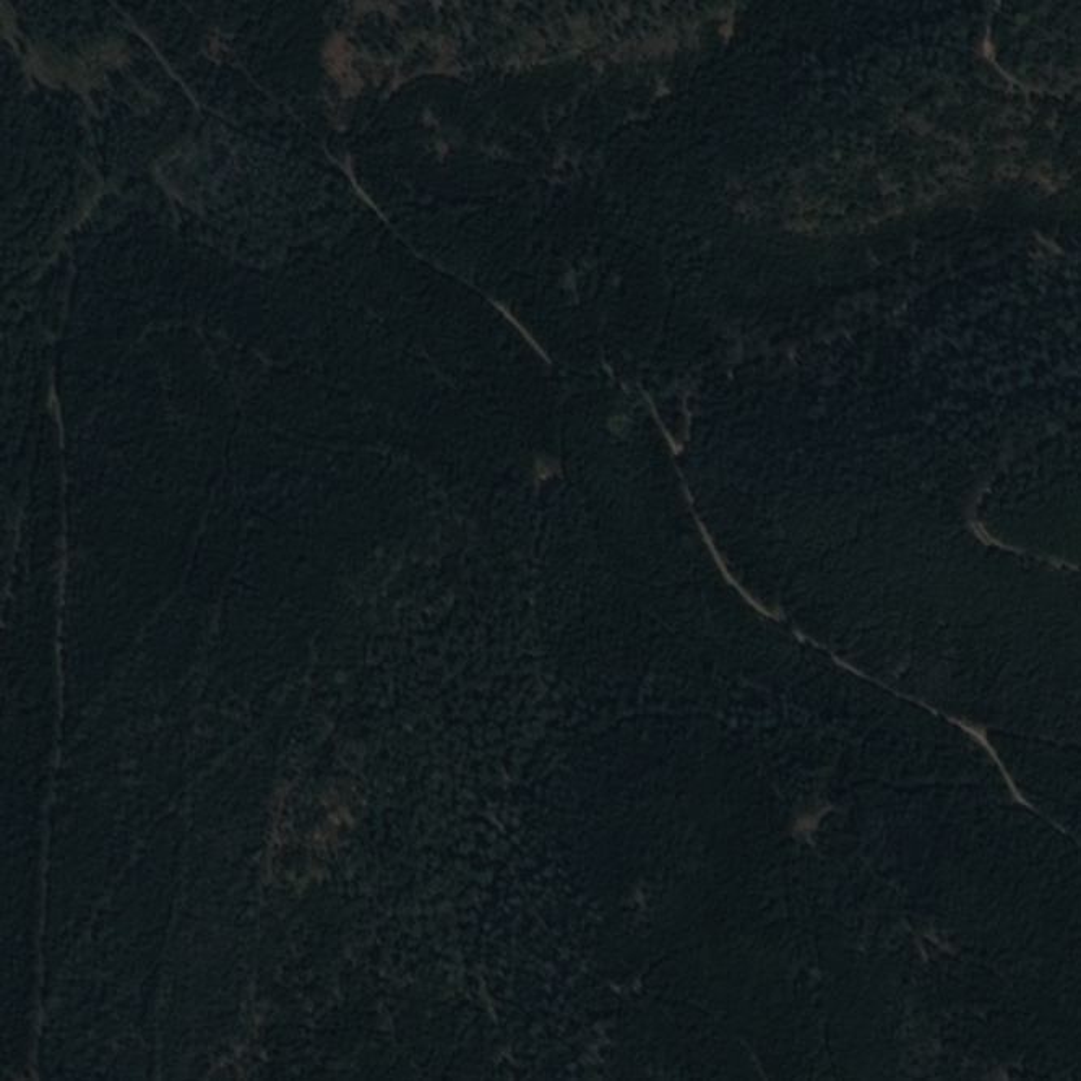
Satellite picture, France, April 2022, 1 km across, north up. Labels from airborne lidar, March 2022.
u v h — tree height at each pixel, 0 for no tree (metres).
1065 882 14
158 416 17
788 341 20
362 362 10
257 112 21
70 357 21
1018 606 17
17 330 23
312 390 20
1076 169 7
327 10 10
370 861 34
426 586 11
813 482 17
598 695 14
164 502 12
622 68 8
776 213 8
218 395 18
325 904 8
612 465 13
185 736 9
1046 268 36
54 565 10
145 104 25
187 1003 7
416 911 34
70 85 0
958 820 19
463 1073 18
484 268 26
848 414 13
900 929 9
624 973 11
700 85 14
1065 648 17
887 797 16
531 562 11
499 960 21
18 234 24
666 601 17
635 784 13
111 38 32
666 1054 10
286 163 34
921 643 11
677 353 17
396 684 8
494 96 13
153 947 6
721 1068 17
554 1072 13
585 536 24
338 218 30
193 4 6
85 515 12
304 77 9
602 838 12
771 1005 15
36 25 37
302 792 11
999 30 11
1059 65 8
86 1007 7
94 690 8
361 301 20
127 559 13
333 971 13
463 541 12
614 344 18
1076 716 18
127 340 18
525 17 22
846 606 18
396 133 10
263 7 10
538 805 29
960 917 12
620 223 22
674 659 19
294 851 11
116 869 6
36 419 24
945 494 12
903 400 13
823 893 10
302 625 6
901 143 9
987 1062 11
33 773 11
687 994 16
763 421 14
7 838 8
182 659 8
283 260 19
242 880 6
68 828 8
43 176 22
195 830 7
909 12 10
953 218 13
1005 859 17
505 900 19
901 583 14
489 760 24
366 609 10
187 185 18
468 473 14
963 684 18
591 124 12
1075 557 17
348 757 31
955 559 14
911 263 14
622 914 15
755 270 14
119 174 34
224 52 7
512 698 34
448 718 15
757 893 21
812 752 19
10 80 24
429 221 38
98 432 11
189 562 10
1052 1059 17
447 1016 15
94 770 6
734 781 16
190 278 16
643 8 23
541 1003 13
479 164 9
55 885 9
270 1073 14
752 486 16
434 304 18
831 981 6
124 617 10
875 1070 7
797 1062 16
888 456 20
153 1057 8
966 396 12
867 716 9
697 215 14
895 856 16
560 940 11
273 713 9
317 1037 18
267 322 15
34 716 13
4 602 8
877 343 12
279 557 14
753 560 16
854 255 14
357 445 14
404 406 14
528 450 18
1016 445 28
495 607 22
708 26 7
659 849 11
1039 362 8
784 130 6
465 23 24
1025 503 17
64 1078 8
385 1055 16
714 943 10
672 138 13
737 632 11
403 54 30
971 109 7
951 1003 15
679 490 22
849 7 15
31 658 10
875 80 22
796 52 14
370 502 13
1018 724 18
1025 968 15
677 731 14
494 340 19
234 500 15
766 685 11
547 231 23
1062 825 21
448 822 35
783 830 22
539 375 24
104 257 17
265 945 7
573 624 27
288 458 12
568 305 19
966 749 17
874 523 12
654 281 16
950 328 31
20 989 12
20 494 27
